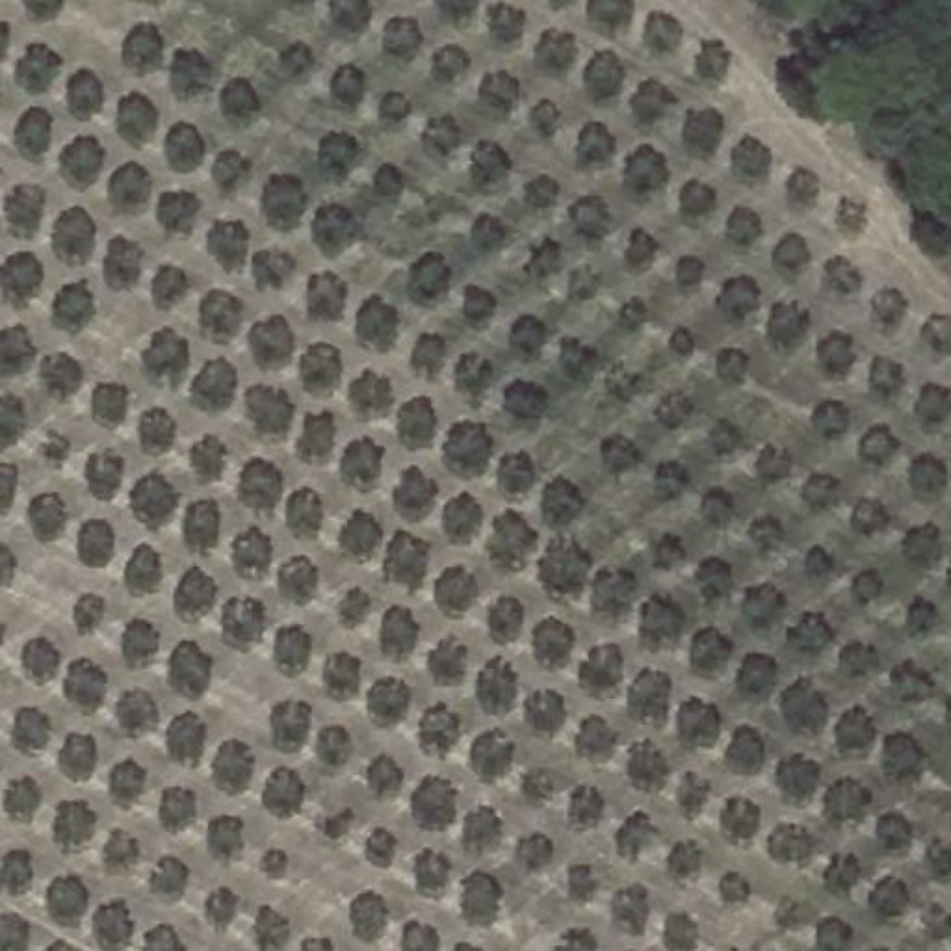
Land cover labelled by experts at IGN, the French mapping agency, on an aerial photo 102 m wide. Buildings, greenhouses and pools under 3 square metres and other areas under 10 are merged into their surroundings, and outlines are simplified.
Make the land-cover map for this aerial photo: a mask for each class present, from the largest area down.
<instances>
[{"label":"deciduous trees","instance_id":"1","mask_svg":"<svg viewBox=\"0 0 951 951\"><path fill-rule=\"evenodd\" d=\"M371 19L368 0H260L253 15L238 22L234 33L215 37L204 52H175L171 67V85L178 97L204 93L208 100L223 104V115L245 123L256 119L271 100H279L282 89L305 82L316 59L334 41L360 33ZM587 19L594 30H620L632 48L646 41L654 52H672L680 45V22L669 11H658L650 0H591ZM758 15L750 19V30L758 41V56L776 74L784 100L802 119L821 123L832 145L858 149L869 163L884 167L888 186L910 212V238L925 256L944 260L951 267V0H754ZM524 33V11L513 4H494L490 37L502 48H509ZM423 45L420 19H390L383 30V48L375 56H368L360 67H334L331 97L342 108H357L364 123H375V115H383L394 126L401 123L420 141L397 167L383 163L371 175L364 163H357L360 145L353 134H323L319 152L308 163H301L293 175L267 178L260 208L275 230H293L297 223L308 227L323 253H338L360 241L383 256L405 260L409 271H394L386 286L360 305L357 338L368 349H390L397 327H405L416 338L412 368L423 375L442 371L457 386L461 394L479 397L483 390H490L502 397V409L487 423H453L442 457L461 476H483L490 457L502 464L498 483L505 487V494L531 490L542 498V516L554 528V542L539 565L542 587L557 594L583 591L591 594L594 613L617 620H624L635 598L643 602L639 639L650 650L676 646V639L684 635L691 639V669L698 676L717 672L724 661L739 669L736 687L717 702L687 698L680 706L676 736L702 750L710 762L728 758L736 773H758L762 762L773 758L776 784L788 795V802H806L814 788L825 791V810L817 821H810L806 828L780 825L769 836V854L780 862H806L814 854H828L825 877H817L802 899L788 895L776 903V925L814 929L817 951H951V379L925 383L914 412H906L895 401V394L903 390V364H895L892 357H873V364L866 368L854 360L847 375H825L817 360L802 371H791L788 379L776 371L788 360V353L802 342L810 312L791 301H776L769 312V331L758 334L747 323L762 293V286L750 275L724 279L717 301L672 334L646 323V305L632 297L617 308L613 323L591 345L568 338L557 323L568 319L583 301L602 293V275L576 267L568 282L557 279L561 245L554 238L535 241L528 264L520 271H505L490 290L468 286L464 297L453 293V275L468 271L472 264L487 260L509 241V230L498 215H479L476 223H468L461 219V212L472 204L476 193H490V182H502L513 171L509 152L494 141V126L520 100V78L509 71H494L479 82V97L464 104L453 93V82L468 74V52L461 45L438 48L431 59V74L423 78L409 63ZM163 33L160 26L137 22L123 37V63L149 74L160 63ZM576 56V41L565 30H546L535 45V63L546 74H565ZM732 63L721 41H702L695 71L706 82H721ZM59 67V52H52L48 45H30L15 74L30 93H45ZM624 59L617 52H594L583 71V89L591 100L606 104L620 93ZM67 104L78 119H85L104 104V82L93 71H74L67 82ZM669 104H676V93L669 85L650 78L632 97L635 123H658L665 119ZM115 126L126 141L141 145L156 126V104L145 93H126L119 100ZM684 145L691 156L710 160L721 175L736 171L747 186H754L769 175V149L758 137H750V130L743 126V100L732 97L724 111H687ZM52 137V111L26 108L15 126V145L26 160H41ZM167 160L175 171H193L204 156V134L193 123H175L163 145ZM104 163V145L89 134L74 137L59 156L63 175L74 186H89ZM669 167L658 149L639 145L624 163V186L646 201L650 193L665 189ZM253 160L227 149L215 160L212 178L230 197L249 178ZM149 171L145 163H123L111 175L108 197L123 215H130L145 204ZM817 201V175L810 167H795L788 175V204L810 208ZM524 197L535 212H542L557 201V182L539 175L524 186ZM717 204V189L710 182H687L680 189V215H710ZM11 234H37L45 189L15 186L4 204ZM156 215L163 230L189 234L197 219V193L178 189L160 197ZM568 227L583 241H602L609 234V208L598 193H587L572 201ZM836 223L843 227V234H858L866 227V201L843 197L836 208ZM97 223L85 208H67L56 219L52 249L67 260H85L93 249ZM724 238L736 249H750L762 238V215L754 208H736L728 215ZM245 223L219 219L208 230V249L223 267L241 264L253 267V279L260 286H286V279L297 271L293 253H256L245 245ZM658 256V238L639 227L632 230L624 249L628 267L635 271ZM773 264L784 275H799L810 264V245L802 234H784L773 245ZM141 271V245L130 238H115L108 245L104 275L115 290H126L137 282ZM45 271L33 253H15L0 267V290L11 305H26L41 290ZM825 286L836 293H858L862 271L843 256H832L825 264ZM189 290V275L167 264L152 279V297L156 305L171 308ZM308 316L338 319L345 305V282L334 271H319L308 279L305 293ZM52 319L63 331H82L93 319V293L85 282H67L52 301ZM873 316L880 319V327H899V319L906 316V297L895 286H884L873 301ZM241 319V301L234 293L212 290L201 301V327L212 331L215 342H227ZM921 342H929L932 353H944L951 360V308L932 312L921 323ZM249 349L260 364L275 368L286 364L293 349V331L286 316H267L253 327ZM82 364L67 353H48L33 345L26 327L0 331V513H7L19 487V449L11 442L30 427L56 397H71L78 390ZM145 371L182 375L189 360L186 338H178L175 331H156L149 349L141 353ZM342 371V353L331 342H312L301 360V379L308 390H331ZM238 375L230 360H204L201 375L193 379V401L197 409L219 412L234 397ZM349 401L357 405V412L371 416L375 435L345 446L342 476L345 483L371 490L383 464V446L375 438L390 435L394 427L401 442L412 449H423L431 442V401H401L390 390V379L375 371H364L353 383ZM93 416L100 423H123L126 386L100 383L89 405ZM245 416L256 423V431L286 435L293 416L290 394L282 386H249ZM137 438L145 449H163L167 468L141 476L130 498L137 520H145L149 528H163L171 539L182 535L189 550H212L219 539V502H193L182 528L171 524L167 516L178 494L167 479L171 472H186L193 464L204 479H215V494L238 490L241 502L253 509H275L282 487V472L271 461L256 457L241 468L212 435L201 438L189 457L175 453V420L167 416V409H149L141 416ZM334 442V412H312L305 420L297 449L305 461H327ZM71 438L63 431H52L48 438L45 457L63 461V479L85 476L97 498H111L115 490L123 479L119 453H93L82 472L67 461ZM438 494L435 479H427L420 468H405L401 476L394 498L401 513L423 516ZM290 531L316 535L327 550L342 542L353 557H371L379 542L383 524L371 513H353L342 535L334 539L319 531L323 498L316 490L301 487L290 494ZM30 524L37 539L48 542L63 531L67 509L59 494L45 490L30 498ZM483 509L472 494H461L446 505L442 528L453 542H468L479 528ZM535 546V531L524 513H502L494 520V539L487 550L498 568L516 572L524 568L528 550ZM115 550L111 524L85 520L78 531L82 565H108ZM271 561V539L260 528H249L234 539L238 572L267 568ZM431 554L427 539L394 531L383 572L394 583L420 587ZM160 583V554L152 546H137L126 561V587L145 594ZM319 583L316 565L308 557H290L279 572V587L290 602H308ZM215 583L201 568H186L175 591V609L201 613V632L223 628V635L238 650L249 646L256 654V661H267L275 654L282 672H301L308 665L312 635L305 628L290 624L279 635L267 632L260 598H230L223 620L208 617ZM479 594L476 576L464 568H446L438 576L435 598L446 613H464ZM74 624L97 639L100 650H115L123 643V658L134 669L149 665L152 676H167L175 684L178 695L208 691L212 654L201 650V643L182 639L171 654V665L163 669L152 661L160 632L152 620H130L123 628L119 620H104V598L82 594L74 602ZM524 620V606L520 598H498L487 617L490 635L498 643H513ZM420 639V624L412 609L390 606L379 632L383 654L409 658ZM576 635L565 620H542L535 624L531 639L535 658L550 669H561ZM59 650L48 639H30L22 646V669L33 680H48L56 672ZM468 650L457 639H446L431 650L427 669L442 684H457ZM624 650L620 643H609L594 646L580 669V680L583 687H591V695H602L620 680ZM323 680L334 698H345L357 717L371 710L386 728L405 717V680H379L371 687V698L364 702L357 698L360 661L353 654H334L323 669ZM108 676L97 661L82 658L71 665L63 691L71 702L97 710ZM476 695L487 710L498 713L513 706L516 672L509 661L490 658L479 672ZM672 691L669 672L639 669L635 687L628 695V710L639 721H665ZM160 717L156 702L149 691H126L119 698V721L130 736H141ZM524 717L535 732H554L557 747L576 743L583 758H609L617 736L609 732L606 717H583V724L576 728L565 721V698L557 691H535L528 698ZM312 706L286 698L271 710V736L279 750H297L308 732ZM461 736V713H453L446 702H435L423 710L420 743L427 750H449ZM11 739L19 750H41L48 739V717L37 706H26L15 713ZM208 732L197 713H178L167 732V750L175 762H197ZM316 754L338 769L349 758V728L331 724L319 732ZM59 765L71 776H89L97 765V743L93 736L71 732L59 750ZM468 762L483 780H494L513 765V743H498L494 732H483L472 743ZM212 776L227 791H241L253 776V754L241 739H230L215 754ZM632 780L639 788H661L669 776L665 754L654 743H639L628 750ZM368 784L383 799H390L401 784V765L390 754H379L368 765ZM108 788L115 802L130 806L145 791V769L137 762H119L111 769ZM305 802V780L297 769H275L264 788V806L290 817ZM557 788L554 769H531L524 773L520 795L535 806L550 799ZM680 806L684 814H695L698 828L724 825L732 840L754 836L762 817L758 802H721L710 795L706 780L687 773ZM41 788L33 776H22L11 780L4 806L11 817H33ZM453 784L446 776H423L412 795V814L423 828H446L449 840H461L468 851H490L498 843L502 821L490 806L468 814V825L461 828L453 825ZM606 810L602 791L583 784L568 799V814L580 825H594ZM197 799L189 788H167L160 795V821L163 828L178 832L193 821ZM97 817L85 799H67L56 810L52 836L56 843L82 847L93 836ZM208 847L215 858H234L241 851V817L227 814L208 825ZM650 843V817L632 814L617 828L620 854H639ZM137 862V840L119 828L104 847L108 869H126ZM364 851L375 866H390L397 851L394 832L375 828ZM554 862V840L531 832L516 843L509 866H498L494 873H472L464 888L449 884V858L442 851H420L412 869L416 884L427 895L442 892V910L461 906L468 921L490 925L498 918V899L505 892L520 888V880ZM702 866V851L698 843L684 840L669 851V869L672 877H695ZM33 880V854L7 851L0 858V884L7 892H26ZM189 880V866L167 854L160 858L149 884L160 895L178 899ZM89 899L85 880L71 873L52 880L45 895L48 914L59 925H78ZM609 910L617 921L628 925V932H643L650 918L646 888L632 884L613 895ZM349 921L360 940H379L383 951H438V932L431 925L409 921L401 929L386 921V899L364 892L349 906ZM97 944L108 951H119L130 944L134 921L123 899H111L97 910L93 921ZM253 936L260 951H282L290 921L271 906H260ZM30 921L19 914H0V951H26ZM669 951H695V921L687 914H672L665 921Z\"/></svg>","mask_w":951,"mask_h":951},{"label":"plowed land","instance_id":"2","mask_svg":"<svg viewBox=\"0 0 951 951\"><path fill-rule=\"evenodd\" d=\"M658 11H669L680 22V45L672 52L684 74L695 71L702 41H721L732 63L758 56V41L750 30V19L758 15L754 0H650ZM825 375H847L854 360V338L847 331H832L817 342V360ZM431 442L423 449H412L401 442L394 427L390 435L375 438L383 446V464L401 476L405 468H420L427 479H435L438 494L423 516L401 513L394 498L371 513L383 524L379 542L371 557H353L342 542L327 550L316 535L290 531V494L282 487L275 509H253L241 502L238 490L215 494V479H204L193 464L186 472H171L167 479L178 494L167 516L171 524L182 528L193 502H219V539L212 550H189L182 535L171 539L163 528H149L145 520H137L130 498L115 490L111 498H97L85 476L63 479V461L45 457L48 438L30 427L11 442L19 449V487L7 513H0V858L7 851L33 854V880L26 892H7L0 884V914H19L30 921L26 951H108L97 944L93 921L97 910L111 899H123L134 921L130 944L119 951H260L253 936L260 906H271L290 921L282 951H383L379 940H360L349 921V906L364 892L386 899V921L401 929L409 921L431 925L438 932V951H669L665 921L672 914H687L695 921V951H817L814 929L776 925V903L788 895L802 899L817 877H825L828 854H814L806 862H780L769 854V836L780 825L806 828L810 821H817L825 810V791L814 788L806 802H788V795L776 784L773 758L762 762L758 773H736L728 758L710 762L702 750L676 736L680 706L687 698L717 702L736 687L739 669L724 661L717 672L698 676L691 669V639L684 635L676 639V646L650 650L639 639L643 602L635 598L624 620H617L594 613L591 594L583 591L557 594L542 587L539 565L554 542V528L542 516V498L531 490L505 494V487L498 483L502 464L490 457L483 476H461L442 457L453 423H487L502 409V397L490 390H483L479 397L461 394L457 386L431 401ZM45 490L59 494L67 509L63 531L48 542L37 539L30 524V498ZM461 494H472L483 509L479 528L468 542H453L442 528L446 505ZM502 513H524L535 531V546L528 550L524 568L516 572L498 568L487 550L494 539V520ZM85 520L111 524L115 550L108 565H82L78 531ZM249 528H260L271 539V561L267 568L238 572L234 539ZM394 531L427 539L431 554L420 587L394 583L383 572ZM137 546H152L160 554V583L145 594L126 587V561ZM290 557H308L316 565L319 583L308 602H290L279 587V572ZM186 568H201L215 583L208 617L223 620L230 598H260L267 632L279 635L290 624L305 628L312 635L308 665L301 672H282L275 654L267 661H256V654L249 646L238 650L223 635V628L201 632V613L175 609V591ZM446 568H464L476 576L479 594L464 613H446L435 598L438 576ZM82 594L104 598V620H119L123 628L130 620H152L160 632L152 661L163 669L171 665V654L182 639L201 643V650L212 654L208 691L178 695L175 684L167 676H152L149 665L134 669L123 658V643L115 650H100L97 639L74 624V602ZM498 598H520L524 606V620L513 643H498L490 635L487 617ZM390 606L412 609L420 624V639L409 658L383 654L379 632ZM542 620H565L576 635L561 669H550L535 658L531 639L535 624ZM30 639H48L59 650L56 672L48 680H33L22 669V646ZM446 639H457L468 650L457 684H442L427 669L431 650ZM609 643H620L624 650L620 680L602 695H591V687H583L580 680V669L594 646ZM334 654H353L360 661L357 698L364 702L371 698V687L379 680H405V717L386 728L371 710L357 717L345 698H334L323 680V669ZM82 658L97 661L108 676L97 710L71 702L63 691L71 665ZM490 658L509 661L516 672L513 706L498 713L487 710L476 695L479 672ZM639 669L669 672L672 691L665 721H639L628 710V695L635 687ZM126 691H149L156 702L160 717L141 736H130L119 721V698ZM535 691H557L565 698V721L576 728L583 724V717H606L609 732L617 736L609 758H583L576 743L557 747L554 732H535L524 717L528 698ZM286 698L312 706L308 732L297 750H279L271 736V710ZM435 702H446L453 713H461V736L449 750H427L420 743L423 710ZM26 706H37L48 717V739L41 750H19L11 739L15 713ZM178 713H197L208 732L197 762H175L167 750V732ZM331 724L349 728V758L338 769L316 754L319 732ZM71 732L93 736L97 743V765L89 776H71L59 765V750ZM483 732H494L498 743H513V765L494 780H483L468 762L472 743ZM230 739H241L253 754V776L241 791H227L212 776L215 754ZM639 743H654L665 754L669 776L661 788H639L632 780L628 750ZM379 754H390L401 765V784L390 799H383L368 784V765ZM119 762H137L145 769V791L130 806L115 802L108 788L111 769ZM275 769H297L305 780V802L290 817L264 806V788ZM531 769H554L557 788L550 799L535 806L520 795L524 773ZM687 773L706 780L710 795L721 802H758L762 817L754 836L732 840L724 825L698 828L695 814H684L680 806ZM22 776H33L41 788L33 817H11L4 806L11 780ZM423 776H446L453 784V825L461 828L468 825V814L490 806L502 821L498 843L490 851H468L461 840H449L446 828H423L412 814V795ZM583 784L602 791L606 810L594 825H580L568 814V799ZM167 788H189L197 799L193 821L178 832L163 828L160 821V795ZM67 799H85L97 817L93 836L82 847L56 843L52 836L56 810ZM227 814L241 817V851L234 858H215L208 847V825ZM632 814L650 817V843L639 854H620L617 828ZM119 828L137 840V862L126 869H108L104 847ZM375 828L394 832L397 851L390 866H375L364 851ZM531 832L554 840V862L520 880V888L505 892L498 899V918L490 925L468 921L461 906L442 910V892L427 895L416 884L412 869L420 851H442L449 858V884L464 888L472 873H494L498 866H509L516 843ZM684 840L698 843L702 851V866L695 877H672L669 869V851ZM167 854L189 866V880L178 899L160 895L149 884L160 858ZM71 873L85 880L89 899L78 925H59L48 914L45 895L52 880ZM632 884L646 888L650 918L643 932H628V925L617 921L609 910L613 895Z\"/></svg>","mask_w":951,"mask_h":951},{"label":"herbaceous vegetation","instance_id":"3","mask_svg":"<svg viewBox=\"0 0 951 951\"><path fill-rule=\"evenodd\" d=\"M260 0H0V267L15 253H33L45 271L41 290L26 305H11L0 290V331L26 327L33 345L48 353H67L82 364L78 390L71 397H56L30 427L48 438L52 431H63L71 438L67 461L82 472L93 453H119L123 479L115 490L130 498L141 476L167 468L163 449H145L137 438L141 416L149 409H167V416L175 420V453L189 457L201 438L212 435L241 468L256 457L271 461L282 472V487L290 494L301 487L316 490L323 498L319 531L334 539L342 535L353 513H371L394 498L401 476L383 464L371 490L345 483L342 476L345 446L375 435L371 416L357 412V405L349 401L353 383L364 371H375L390 379V390L401 401H431L457 386L442 371L423 375L412 368L416 338L405 327H397L390 349H368L357 338L360 305L386 286L394 271H409L405 260L383 256L360 241L338 253H323L308 227L297 223L293 230H275L260 208L267 178L293 175L301 163H308L319 152L323 134H353L360 145L357 163H364L371 175L383 163L397 167L420 141L401 123L394 126L383 115H375V123H364L357 108H342L331 97L334 67H360L368 56H375L383 48V30L390 19H420L423 45L409 63L423 78L431 74V59L438 48L461 45L468 52V74L453 82V93L464 104L479 97V82L494 71H509L520 78V100L494 126V141L509 152L513 171L502 182H490V193H476L472 204L461 212V219L468 223H476L479 215H498L509 230V241L487 260L472 264L468 271L453 275V293L464 297L468 286L490 290L505 271H520L528 264L535 241L554 238L561 245L557 279L568 282L576 267L602 275V293L583 301L568 319L557 323L568 338L591 345L613 323L617 308L632 297L646 305V323L672 334L717 301L724 279L750 275L762 286V293L747 323L758 334L769 331V312L776 301H791L810 312L802 342L788 353V360L776 371L788 379L791 371H802L817 360V342L832 331H847L854 338V360L866 368L873 364V357H892L895 364H903V390L895 394V401L906 412H914L925 383L951 379V360L944 353H932L929 342H921V323L932 312L951 308V267L944 260L925 256L910 238V212L888 186L884 167L869 163L858 149L832 145L821 123L802 119L784 100L776 74L758 56L732 63L721 82H706L695 71L684 74L672 52H654L646 41L632 48L620 30H594L587 19L591 0H368L371 19L360 33L334 41L316 59L305 82L282 89L279 100H271L256 119L245 123L223 115V104L208 100L204 93L178 97L171 85V67L175 52H204L215 37L234 33L238 22L253 15ZM494 4H513L524 11V33L509 48H502L490 37ZM137 22L160 26L163 33L160 63L149 74L123 63V37ZM546 30H565L576 41V56L565 74H546L535 63V45ZM30 45H48L52 52H59V67L45 93H30L15 74ZM594 52H617L624 59L620 93L606 104L591 100L583 89V71ZM74 71H93L104 82V104L85 119H78L67 104V82ZM650 78L669 85L676 93V104H669L665 119L658 123H635L632 97ZM126 93H145L156 104V126L141 145L126 141L115 126L119 100ZM732 97L743 100V126L750 130V137H758L769 149V175L754 186H747L736 171L721 175L710 160L691 156L684 145L687 111H724ZM26 108L52 111V137L41 160H26L15 145V126ZM175 123H193L204 134V156L193 171H175L167 160L163 145ZM89 134L104 145V163L89 186H74L63 175L59 156L74 137ZM639 145L658 149L669 167L665 189L650 193L646 201L624 186V163ZM227 149L253 160L249 178L230 197L212 178L215 160ZM123 163H145L149 171L145 204L130 215H123L108 197L111 175ZM795 167H810L817 175V201L810 208L788 204V175ZM539 175L557 182V201L542 212H535L524 197V186ZM687 182H710L717 189V204L710 215H680V189ZM15 186L45 189L37 234H11L4 204ZM178 189L197 193V219L189 234L163 230L156 215L160 197ZM587 193H598L609 208V234L602 241H583L568 227L572 201ZM843 197L866 201V227L858 234H843V227L836 223V208ZM67 208H85L97 223L93 249L85 260H67L52 249L56 219ZM736 208H754L762 215V238L750 249H736L724 238L728 215ZM219 219L245 223V245L256 253H293L297 271L286 279V286H260L253 279V267L241 264L223 267L208 249V230ZM639 227L658 238V256L635 271L628 267L624 249L632 230ZM784 234H802L810 245V264L799 275H784L773 264V245ZM115 238H130L141 245V271L137 282L126 290H115L104 275L108 245ZM832 256H843L862 271L858 293H836L825 286V264ZM167 264L189 275V290L171 308L156 305L152 297V279ZM319 271H334L345 282V305L338 319L308 316L305 293L308 279ZM67 282H85L93 293V319L82 331H63L52 319V301ZM884 286H895L906 297V316L899 319V327H880V319L873 316V301ZM212 290L234 293L241 301V319L227 342H215L212 331L201 327V301ZM267 316H286L293 331V349L286 364L275 368L260 364L249 349L253 327ZM156 331H175L178 338H186L189 360L182 375L145 371L141 353L149 349ZM312 342H331L342 353V371L331 390H308L301 379V360ZM204 360H230L238 375L234 397L219 412L197 409L193 401V379L201 375ZM100 383L126 386L123 423H100L93 416L89 405ZM249 386H282L290 394L293 416L286 435L256 431V423L245 416ZM312 412H334V442L327 461H305L297 449L305 420Z\"/></svg>","mask_w":951,"mask_h":951}]
</instances>
